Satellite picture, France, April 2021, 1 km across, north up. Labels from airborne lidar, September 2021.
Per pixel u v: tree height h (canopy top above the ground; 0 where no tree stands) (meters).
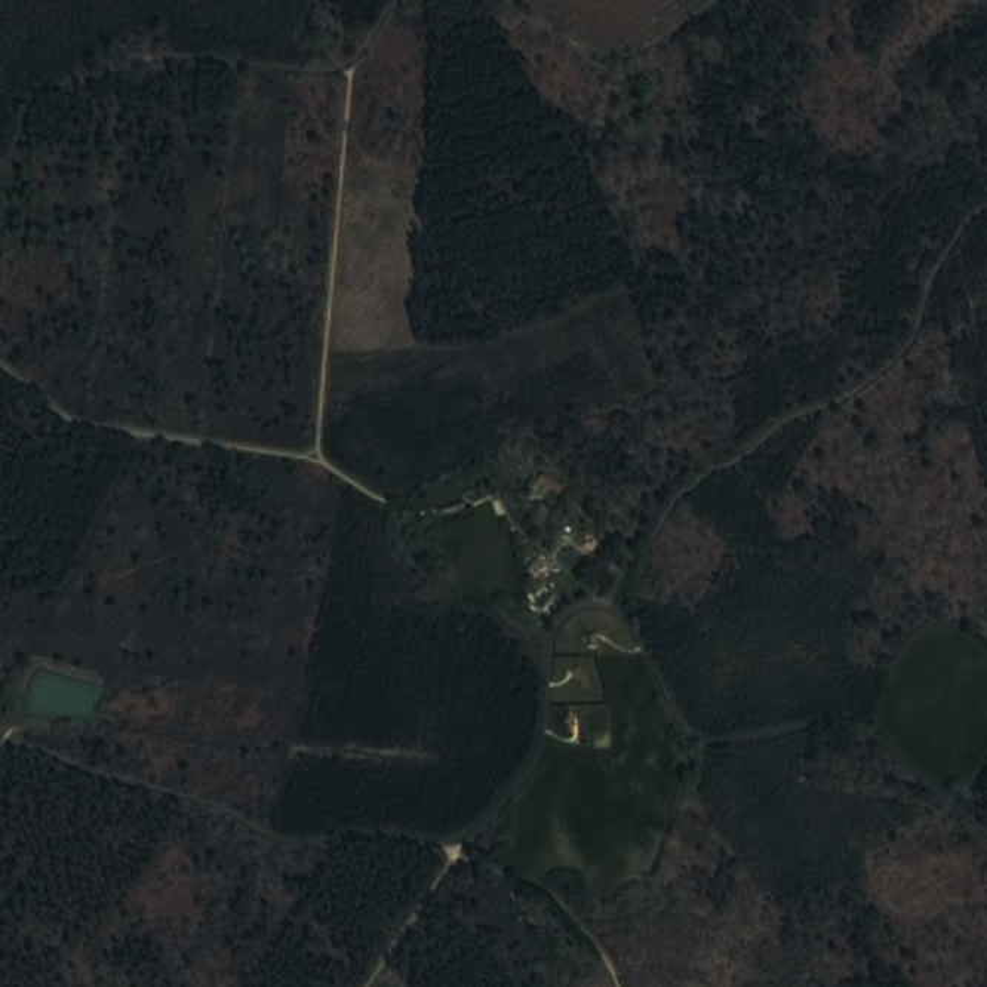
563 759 0
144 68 14
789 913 25
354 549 8
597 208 20
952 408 12
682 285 18
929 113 16
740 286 8
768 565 12
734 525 10
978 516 11
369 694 9
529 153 20
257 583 12
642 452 8
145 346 12
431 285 11
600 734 0
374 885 22
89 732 9
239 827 13
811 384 11
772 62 25
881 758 17
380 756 0
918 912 0
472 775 9
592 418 9
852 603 8
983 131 15
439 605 10
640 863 0
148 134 17
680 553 11
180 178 7
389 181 0
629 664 0
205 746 8
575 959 15
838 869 8
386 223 0
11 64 9
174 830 19
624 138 21
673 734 8
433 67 18
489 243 19
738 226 17
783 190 11
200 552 10
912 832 12
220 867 10
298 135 10
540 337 0
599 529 20
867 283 15
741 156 12
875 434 11
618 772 0
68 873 19
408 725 8
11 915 19
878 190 10
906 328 9
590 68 18
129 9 9
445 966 23
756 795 7
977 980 10
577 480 11
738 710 8
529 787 0
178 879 9
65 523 17
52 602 19
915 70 10
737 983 10
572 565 0
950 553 15
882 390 9
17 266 11
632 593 11
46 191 16
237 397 10
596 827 0
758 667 6
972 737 0
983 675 0
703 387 6
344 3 12
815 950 6
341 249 0
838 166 11
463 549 0
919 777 0
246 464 15
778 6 22
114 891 19
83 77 6
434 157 19
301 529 9
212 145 17
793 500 8
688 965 6
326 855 10
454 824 10
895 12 30
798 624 7
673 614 9
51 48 10
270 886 9
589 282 19
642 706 0
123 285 8
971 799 19
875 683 11
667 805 0
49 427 18
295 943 18
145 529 10
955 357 15
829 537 20
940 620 18
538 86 10
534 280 19
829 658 7
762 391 11
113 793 22
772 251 7
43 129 18
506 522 8
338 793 9
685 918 0
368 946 21
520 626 18
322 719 8
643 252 8
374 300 0
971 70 26
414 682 8
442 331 17
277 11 8
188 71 14
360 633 8
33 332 13
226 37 13
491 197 17
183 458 14
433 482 8
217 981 10
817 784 17
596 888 0
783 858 8
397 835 0
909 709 0
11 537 16
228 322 15
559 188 19
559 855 0
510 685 11
